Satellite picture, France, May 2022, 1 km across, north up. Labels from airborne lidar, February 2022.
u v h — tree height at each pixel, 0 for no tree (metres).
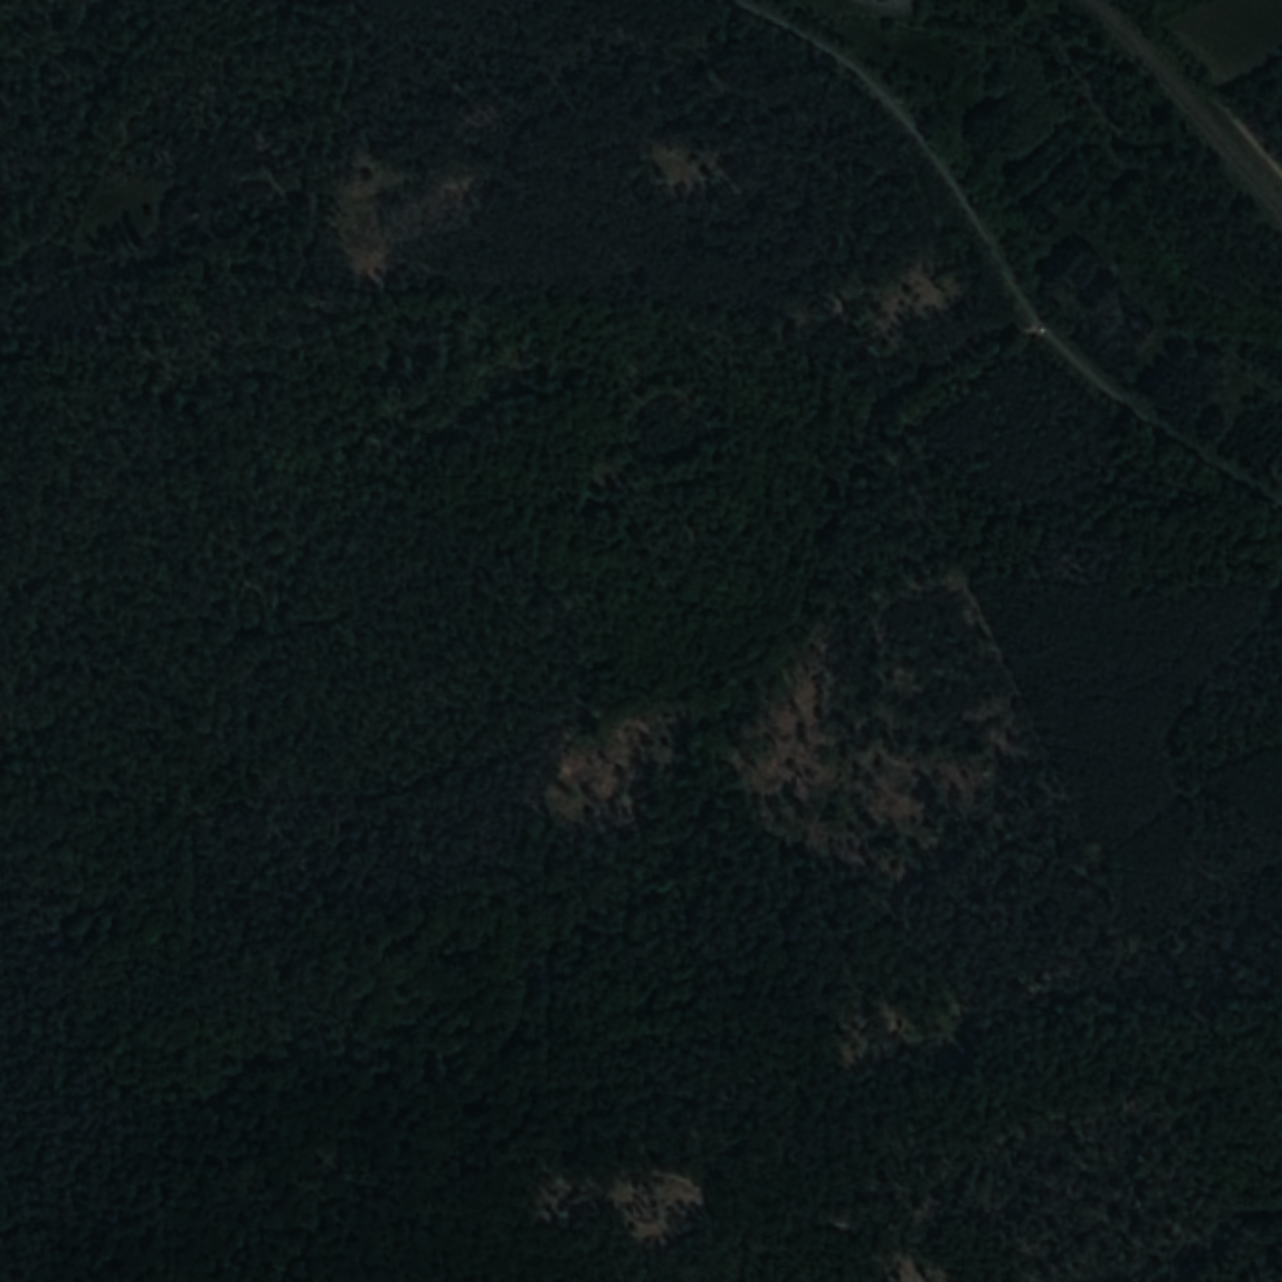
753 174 24
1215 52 0
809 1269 20
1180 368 22
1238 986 29
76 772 29
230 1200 28
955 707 10
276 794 27
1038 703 16
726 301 21
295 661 31
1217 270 21
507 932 27
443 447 32
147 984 26
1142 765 15
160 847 22
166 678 29
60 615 31
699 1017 26
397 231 27
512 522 27
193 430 33
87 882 30
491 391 8
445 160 23
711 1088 30
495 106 25
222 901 23
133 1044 26
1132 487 10
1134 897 15
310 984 30
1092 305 26
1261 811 17
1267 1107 30
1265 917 11
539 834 27
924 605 10
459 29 18
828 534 31
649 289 24
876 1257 22
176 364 27
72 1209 25
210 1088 22
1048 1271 22
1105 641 15
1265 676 24
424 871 22
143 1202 32
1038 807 29
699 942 31
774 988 30
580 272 25
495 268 25
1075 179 20
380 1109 30
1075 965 8
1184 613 15
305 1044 30
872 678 7
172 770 20
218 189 10
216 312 33
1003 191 11
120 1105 23
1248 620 16
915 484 29
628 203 24
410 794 30
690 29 18
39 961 29
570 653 30
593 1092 29
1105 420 10
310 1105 30
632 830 29
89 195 7
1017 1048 27
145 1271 29
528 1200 24
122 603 29
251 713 28
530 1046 32
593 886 31
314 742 24
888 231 24
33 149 31
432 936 28
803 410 20
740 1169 23
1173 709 13
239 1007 28
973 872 32
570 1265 20
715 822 30
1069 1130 7
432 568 30
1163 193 25
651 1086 28
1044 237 12
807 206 21
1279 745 16
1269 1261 7
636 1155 25
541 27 20
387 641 26
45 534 31
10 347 8
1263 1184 31
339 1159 26
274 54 31
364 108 15
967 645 9
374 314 32
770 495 21
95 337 21
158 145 9
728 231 21
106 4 29
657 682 25
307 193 8
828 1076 25
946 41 16
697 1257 22
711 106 11
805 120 18
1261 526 28
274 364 28
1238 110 18
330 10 20
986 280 24
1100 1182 7
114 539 31
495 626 25
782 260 22
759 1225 22
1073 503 9
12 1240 30
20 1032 20
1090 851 27
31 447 27
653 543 23
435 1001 26
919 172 24
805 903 32
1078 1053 27
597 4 22
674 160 0
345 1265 30
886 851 30
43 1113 31
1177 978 30
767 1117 32
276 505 29
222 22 32
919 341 26
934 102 6
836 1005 24
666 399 6
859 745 7
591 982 27
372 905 36
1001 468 11
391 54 24
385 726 31
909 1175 23
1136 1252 6
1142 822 10
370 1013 30
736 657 32
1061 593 16
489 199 23
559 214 22
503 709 25
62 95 26
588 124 23
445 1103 29
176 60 30
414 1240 27
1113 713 17
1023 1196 22
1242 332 27
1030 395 12
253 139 9
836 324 11
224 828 28
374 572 27
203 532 23
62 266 21
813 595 28
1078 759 16
